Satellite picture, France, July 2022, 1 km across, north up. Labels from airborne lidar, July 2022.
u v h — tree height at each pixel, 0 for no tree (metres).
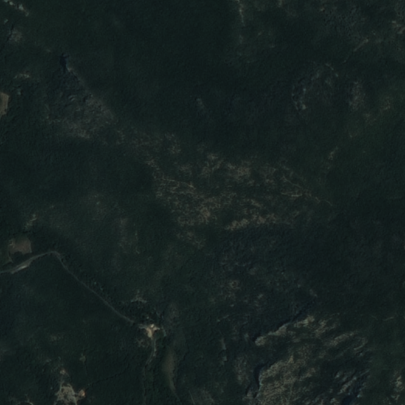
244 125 6
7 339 8
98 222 7
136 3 7
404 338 8
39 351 8
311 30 6
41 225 10
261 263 5
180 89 6
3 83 14
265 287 7
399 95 8
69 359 10
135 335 10
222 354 9
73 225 6
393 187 6
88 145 8
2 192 13
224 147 6
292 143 6
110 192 8
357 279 6
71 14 11
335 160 8
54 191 7
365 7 6
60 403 6
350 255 7
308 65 7
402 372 7
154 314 7
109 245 6
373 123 7
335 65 8
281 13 7
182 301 7
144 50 8
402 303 6
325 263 6
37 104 7
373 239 7
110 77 5
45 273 10
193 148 6
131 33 9
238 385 7
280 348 6
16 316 6
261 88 6
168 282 9
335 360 11
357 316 8
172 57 6
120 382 12
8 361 9
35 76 6
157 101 7
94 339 11
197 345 7
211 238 8
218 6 9
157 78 7
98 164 5
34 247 8
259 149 7
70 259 24
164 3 12
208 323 7
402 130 7
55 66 8
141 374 19
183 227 5
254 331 5
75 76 14
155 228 7
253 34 6
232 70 8
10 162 11
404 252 10
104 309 10
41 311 7
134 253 6
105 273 7
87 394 13
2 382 11
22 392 6
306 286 7
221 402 8
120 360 11
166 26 9
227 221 8
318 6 6
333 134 6
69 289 11
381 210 11
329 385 7
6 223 16
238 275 6
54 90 8
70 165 7
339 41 6
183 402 13
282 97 6
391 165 7
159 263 8
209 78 9
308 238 6
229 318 6
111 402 10
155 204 9
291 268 6
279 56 7
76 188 6
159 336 19
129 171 7
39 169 9
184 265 7
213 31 9
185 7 7
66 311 10
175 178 6
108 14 8
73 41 7
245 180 8
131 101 8
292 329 5
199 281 8
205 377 7
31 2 9
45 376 9
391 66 9
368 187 6
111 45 7
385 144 10
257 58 6
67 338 8
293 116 6
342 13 6
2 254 0
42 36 6
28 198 6
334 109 9
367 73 6
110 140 5
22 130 10
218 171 6
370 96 6
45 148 8
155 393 13
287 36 8
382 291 8
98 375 15
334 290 7
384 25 6
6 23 8
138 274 7
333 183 8
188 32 10
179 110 9
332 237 7
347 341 7
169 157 7
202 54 8
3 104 0
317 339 7
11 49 7
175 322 8
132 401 11
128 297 10
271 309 7
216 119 7
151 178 9
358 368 8
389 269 6
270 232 9
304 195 6
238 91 7
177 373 7
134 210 9
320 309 6
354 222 6
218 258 8
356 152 7
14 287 7
